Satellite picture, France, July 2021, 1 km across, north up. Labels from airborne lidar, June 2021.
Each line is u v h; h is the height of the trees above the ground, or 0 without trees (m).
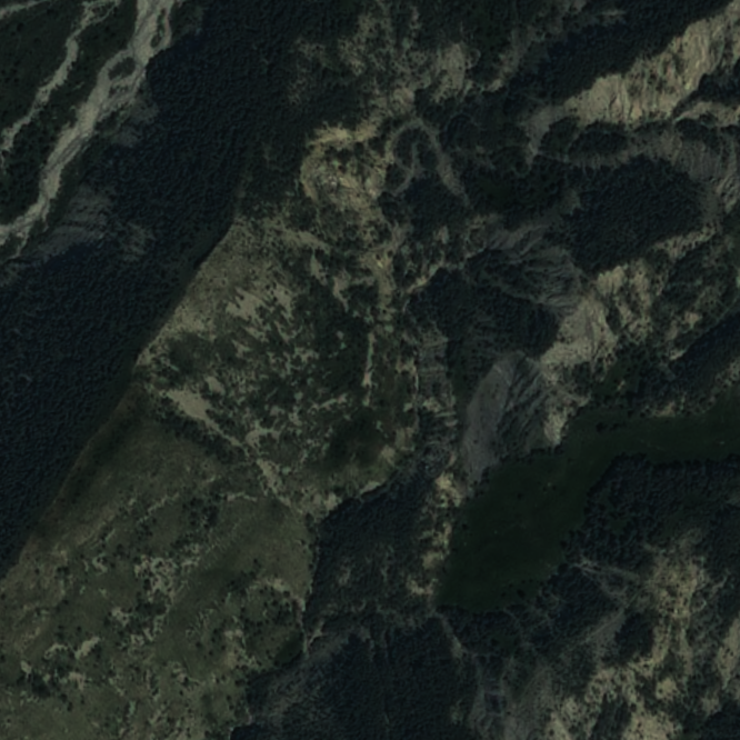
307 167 0
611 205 17
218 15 16
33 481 11
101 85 0
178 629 0
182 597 0
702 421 0
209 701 0
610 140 14
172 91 15
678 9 13
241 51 11
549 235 7
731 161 0
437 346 0
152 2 0
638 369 10
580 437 0
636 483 20
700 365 16
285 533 0
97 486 0
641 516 13
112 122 7
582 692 6
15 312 12
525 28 8
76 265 13
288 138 11
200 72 16
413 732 14
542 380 0
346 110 10
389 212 10
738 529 12
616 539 18
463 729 7
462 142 13
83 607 0
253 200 7
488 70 11
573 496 0
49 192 0
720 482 13
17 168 11
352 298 7
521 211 12
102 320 12
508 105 14
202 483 0
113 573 0
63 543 0
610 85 0
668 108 0
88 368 13
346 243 8
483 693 0
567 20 12
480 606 0
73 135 0
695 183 10
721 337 13
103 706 0
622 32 12
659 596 0
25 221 0
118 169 8
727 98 13
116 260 7
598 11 12
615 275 0
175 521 0
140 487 0
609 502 0
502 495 0
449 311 13
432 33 9
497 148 10
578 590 18
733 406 0
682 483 21
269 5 10
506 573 0
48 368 12
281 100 8
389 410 0
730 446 0
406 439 0
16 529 8
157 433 0
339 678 7
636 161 9
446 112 12
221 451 10
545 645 11
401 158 8
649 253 9
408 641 15
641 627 11
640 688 6
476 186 17
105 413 0
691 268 7
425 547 11
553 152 8
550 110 0
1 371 15
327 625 9
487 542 0
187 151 19
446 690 9
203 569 0
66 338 14
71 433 8
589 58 13
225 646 6
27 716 0
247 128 11
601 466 0
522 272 12
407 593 7
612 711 9
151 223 10
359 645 14
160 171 17
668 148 0
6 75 7
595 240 14
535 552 0
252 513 0
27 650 0
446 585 0
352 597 11
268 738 7
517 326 15
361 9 6
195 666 0
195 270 0
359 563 7
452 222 8
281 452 0
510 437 12
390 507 17
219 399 7
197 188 13
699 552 6
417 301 10
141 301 12
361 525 14
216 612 0
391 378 0
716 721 17
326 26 9
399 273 11
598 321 0
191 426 10
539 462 0
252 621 6
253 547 0
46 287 11
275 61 8
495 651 7
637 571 7
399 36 8
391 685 10
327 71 8
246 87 13
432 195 14
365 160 5
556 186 12
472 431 0
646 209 18
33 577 0
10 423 12
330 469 0
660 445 0
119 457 0
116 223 8
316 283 7
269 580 0
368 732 11
